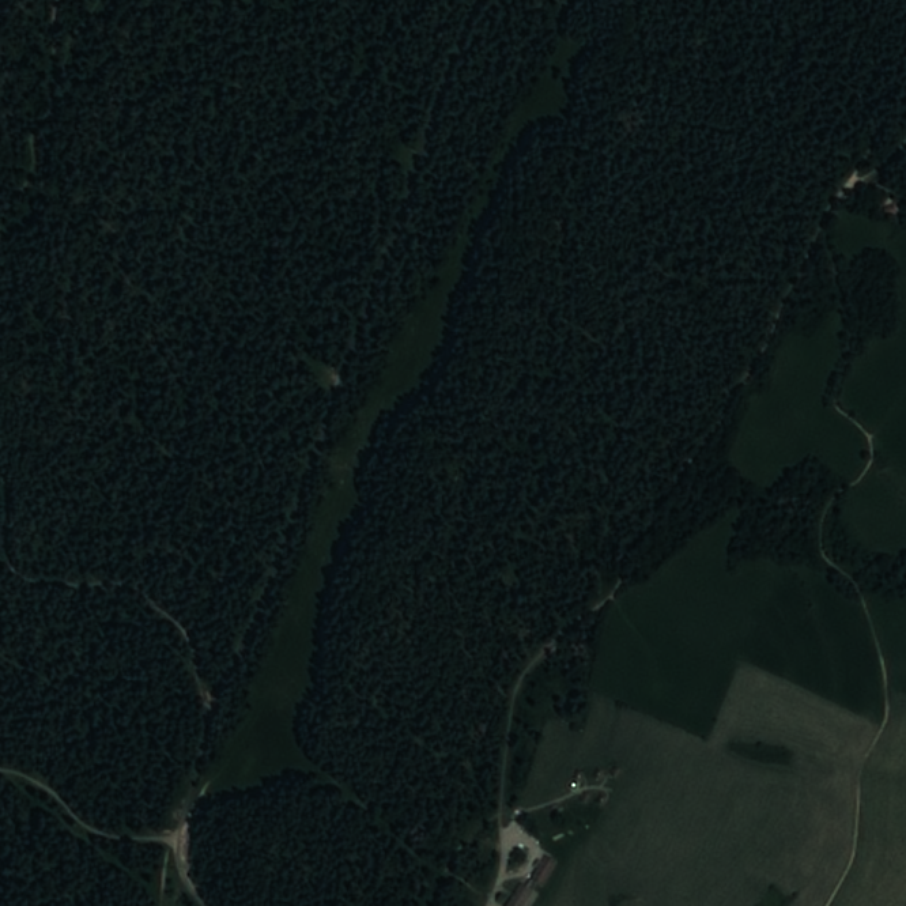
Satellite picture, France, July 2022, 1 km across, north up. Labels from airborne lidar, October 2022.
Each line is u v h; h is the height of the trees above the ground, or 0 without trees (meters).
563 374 30
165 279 14
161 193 30
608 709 0
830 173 31
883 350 0
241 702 27
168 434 21
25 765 24
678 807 0
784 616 0
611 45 31
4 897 34
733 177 22
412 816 25
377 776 21
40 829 27
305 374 30
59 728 30
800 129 23
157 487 26
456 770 15
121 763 36
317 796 27
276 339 30
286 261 32
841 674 0
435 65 30
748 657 0
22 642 16
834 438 0
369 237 30
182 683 34
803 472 16
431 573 24
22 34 6
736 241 21
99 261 16
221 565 30
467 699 10
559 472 34
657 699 0
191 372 23
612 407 27
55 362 21
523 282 27
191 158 25
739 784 0
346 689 14
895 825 0
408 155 0
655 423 24
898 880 0
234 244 29
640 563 25
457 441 27
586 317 24
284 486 19
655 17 16
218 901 18
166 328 26
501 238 32
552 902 0
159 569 24
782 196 25
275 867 18
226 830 27
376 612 17
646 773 0
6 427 13
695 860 0
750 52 20
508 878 0
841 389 15
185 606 27
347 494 0
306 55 15
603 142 10
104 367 15
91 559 18
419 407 38
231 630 25
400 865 6
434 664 20
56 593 26
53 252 22
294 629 0
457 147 32
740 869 0
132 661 27
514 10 28
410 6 17
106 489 39
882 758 0
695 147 26
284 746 0
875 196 20
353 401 21
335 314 37
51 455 24
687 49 9
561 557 10
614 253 16
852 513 0
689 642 0
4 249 19
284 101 18
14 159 21
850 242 0
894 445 0
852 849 0
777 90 19
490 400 26
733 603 0
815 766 0
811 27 11
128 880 28
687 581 0
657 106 19
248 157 12
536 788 0
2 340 22
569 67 0
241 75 23
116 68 23
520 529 8
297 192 32
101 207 24
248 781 0
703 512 19
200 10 20
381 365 13
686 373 19
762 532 16
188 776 8
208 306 32
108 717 34
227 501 13
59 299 23
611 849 0
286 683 0
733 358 23
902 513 0
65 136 18
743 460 0
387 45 29
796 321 19
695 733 0
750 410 7
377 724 16
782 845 0
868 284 21
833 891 0
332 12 28
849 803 0
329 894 29
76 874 25
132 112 33
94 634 23
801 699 0
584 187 11
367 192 34
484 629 31
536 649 7
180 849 0
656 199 26
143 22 33
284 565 32
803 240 23
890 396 0
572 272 18
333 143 34
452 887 28
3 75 23
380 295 28
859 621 0
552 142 28
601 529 23
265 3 9
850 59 15
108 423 32
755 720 0
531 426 29
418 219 29
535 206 22
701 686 0
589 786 0
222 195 21
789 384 0
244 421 35
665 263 30
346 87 34
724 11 12
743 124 11
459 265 0
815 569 9
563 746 0
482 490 35
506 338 22
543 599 7
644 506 9
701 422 7
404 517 26
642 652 0
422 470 25
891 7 19
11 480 18
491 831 17
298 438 27
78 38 28
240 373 16
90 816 29
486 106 23
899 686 0
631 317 24
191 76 10
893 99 14
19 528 10
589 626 8
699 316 6
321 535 0
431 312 0
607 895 0
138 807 29
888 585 8
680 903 0
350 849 17
